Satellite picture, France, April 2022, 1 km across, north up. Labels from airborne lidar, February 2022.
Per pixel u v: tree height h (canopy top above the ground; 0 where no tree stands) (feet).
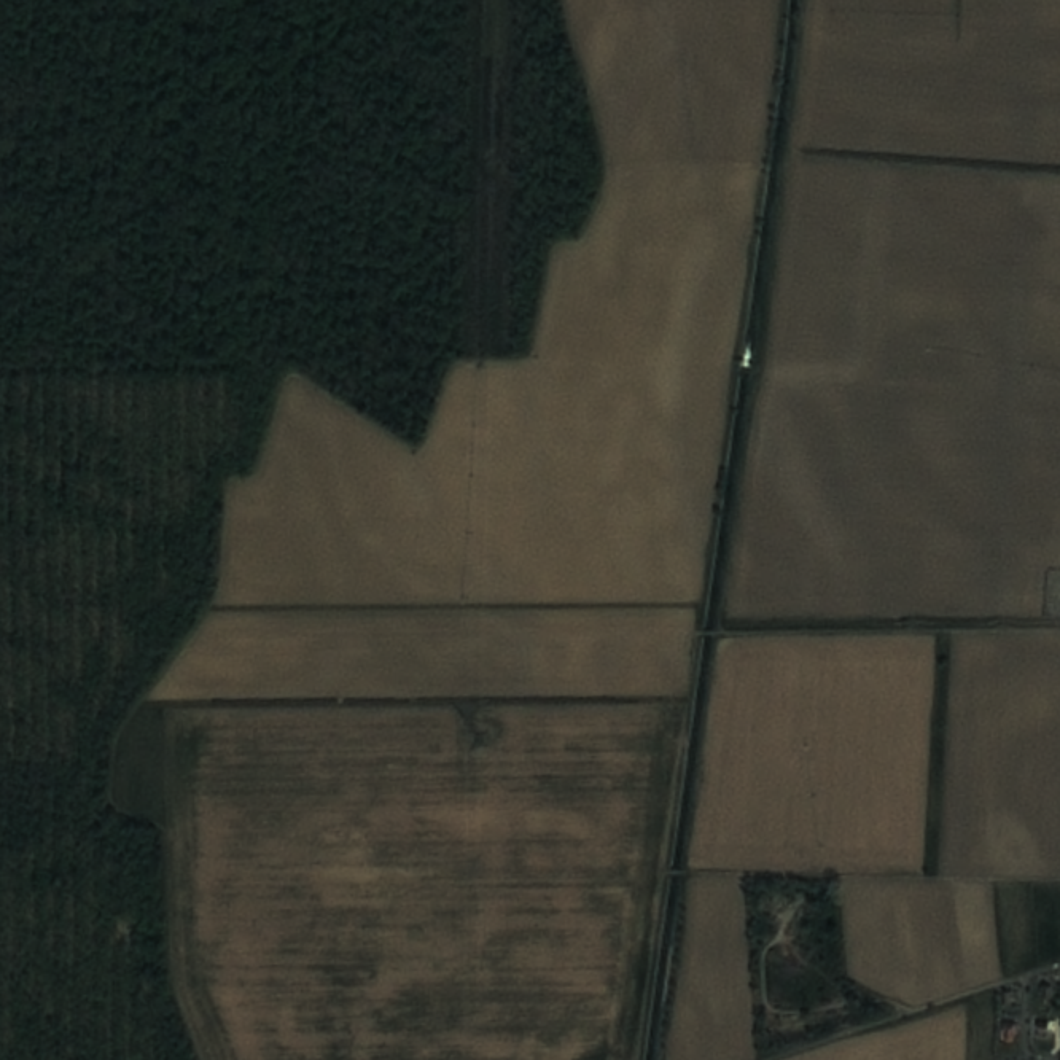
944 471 0
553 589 0
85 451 36
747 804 0
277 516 0
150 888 44
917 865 0
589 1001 0
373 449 0
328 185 50
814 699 0
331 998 0
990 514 0
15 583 51
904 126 0
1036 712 0
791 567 0
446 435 0
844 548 0
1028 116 0
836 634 0
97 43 64
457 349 48
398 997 0
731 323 0
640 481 0
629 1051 0
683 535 0
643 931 0
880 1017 29
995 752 0
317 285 62
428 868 0
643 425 0
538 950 0
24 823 39
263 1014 0
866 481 0
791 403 0
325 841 0
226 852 0
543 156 67
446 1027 0
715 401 0
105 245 58
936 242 0
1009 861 0
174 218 66
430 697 0
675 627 0
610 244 0
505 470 0
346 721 0
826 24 0
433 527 0
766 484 0
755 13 0
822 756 0
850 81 0
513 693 0
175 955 0
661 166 0
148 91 64
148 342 35
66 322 49
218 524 37
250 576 0
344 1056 0
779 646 0
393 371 51
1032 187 0
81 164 57
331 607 0
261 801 0
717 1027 0
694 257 0
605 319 0
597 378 0
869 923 0
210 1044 0
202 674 0
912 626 0
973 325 0
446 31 45
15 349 37
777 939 0
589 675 0
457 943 0
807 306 0
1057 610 0
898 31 0
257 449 55
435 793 0
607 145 0
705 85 0
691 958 0
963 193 0
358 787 0
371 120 49
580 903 0
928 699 0
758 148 0
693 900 0
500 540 0
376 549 0
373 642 0
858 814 0
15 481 40
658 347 0
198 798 0
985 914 0
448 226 45
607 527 0
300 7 61
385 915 0
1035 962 0
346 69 49
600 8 0
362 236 59
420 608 0
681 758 0
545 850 0
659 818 0
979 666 0
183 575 49
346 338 60
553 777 0
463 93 52
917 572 0
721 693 0
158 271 60
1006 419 0
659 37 0
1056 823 0
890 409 0
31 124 48
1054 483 0
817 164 0
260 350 63
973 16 0
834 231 0
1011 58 0
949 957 0
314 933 0
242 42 63
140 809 0
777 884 48
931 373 0
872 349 0
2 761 39
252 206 58
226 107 72
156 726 0
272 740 0
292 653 0
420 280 47
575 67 41
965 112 0
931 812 0
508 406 0
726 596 0
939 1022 0
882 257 0
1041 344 0
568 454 0
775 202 0
